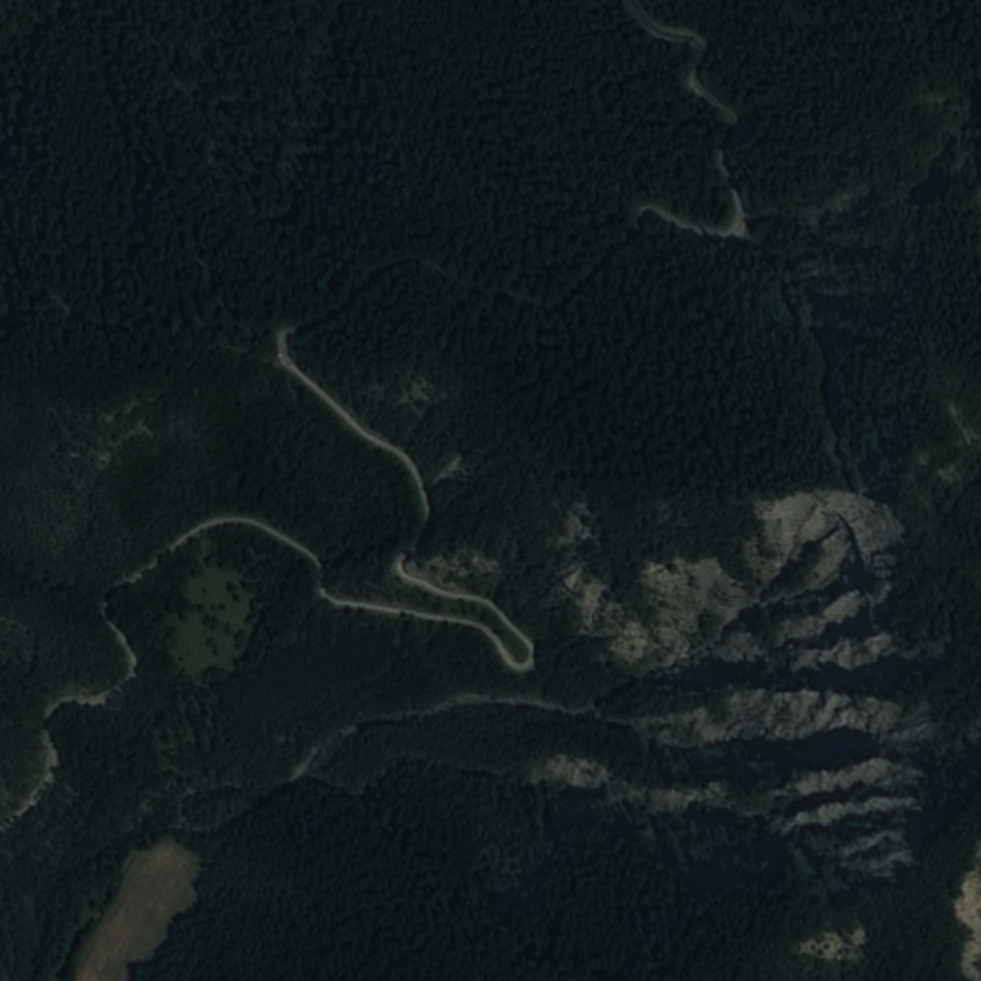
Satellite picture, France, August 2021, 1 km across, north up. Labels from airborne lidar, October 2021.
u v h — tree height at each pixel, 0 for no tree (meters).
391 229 20
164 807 8
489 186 13
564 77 26
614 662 10
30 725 14
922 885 10
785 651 6
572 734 22
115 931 0
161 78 22
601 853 20
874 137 7
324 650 19
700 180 10
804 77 19
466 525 19
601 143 29
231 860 12
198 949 17
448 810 17
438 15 27
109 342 37
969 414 7
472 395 14
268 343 12
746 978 14
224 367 14
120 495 13
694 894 8
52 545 7
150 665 18
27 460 13
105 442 6
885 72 14
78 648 19
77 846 13
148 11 16
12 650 18
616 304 19
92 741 19
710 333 21
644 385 26
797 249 12
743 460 23
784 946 8
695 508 11
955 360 21
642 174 19
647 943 22
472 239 21
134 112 32
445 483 12
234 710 16
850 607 0
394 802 30
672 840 9
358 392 18
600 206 20
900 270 17
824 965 12
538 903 9
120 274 40
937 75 7
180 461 14
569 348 27
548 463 9
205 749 14
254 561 16
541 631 7
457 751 17
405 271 21
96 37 40
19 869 17
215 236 30
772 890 14
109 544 11
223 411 18
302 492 18
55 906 16
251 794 7
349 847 28
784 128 30
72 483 16
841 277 7
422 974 25
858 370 28
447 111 25
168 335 18
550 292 34
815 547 15
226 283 33
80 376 22
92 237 37
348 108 9
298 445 12
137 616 23
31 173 35
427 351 11
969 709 17
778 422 25
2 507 17
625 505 20
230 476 18
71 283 37
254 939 23
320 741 8
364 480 22
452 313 25
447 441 20
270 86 26
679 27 16
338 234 23
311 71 26
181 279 29
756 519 14
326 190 16
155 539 18
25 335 31
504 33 22
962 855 13
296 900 14
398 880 27
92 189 35
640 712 18
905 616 15
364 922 24
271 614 17
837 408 13
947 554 12
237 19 28
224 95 26
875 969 15
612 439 26
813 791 0
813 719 0
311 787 18
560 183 7
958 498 11
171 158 10
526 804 13
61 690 19
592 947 22
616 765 11
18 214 43
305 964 26
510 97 24
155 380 16
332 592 16
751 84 9
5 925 15
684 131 32
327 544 21
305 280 22
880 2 8
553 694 18
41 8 25
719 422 27
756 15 23
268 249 32
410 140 17
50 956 18
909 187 8
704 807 7
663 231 17
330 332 14
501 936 27
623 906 24
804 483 19
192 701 13
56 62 28
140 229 31
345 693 13
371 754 16
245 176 32
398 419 23
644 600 15
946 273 28
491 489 14
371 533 17
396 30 16
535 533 15
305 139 31
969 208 9
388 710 14
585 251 12
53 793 20
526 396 31
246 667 13
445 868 28
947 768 7
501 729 12
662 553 12
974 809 14
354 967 25
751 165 28
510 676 7
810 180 18
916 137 9
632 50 15
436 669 11
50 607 18
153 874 0
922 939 16
